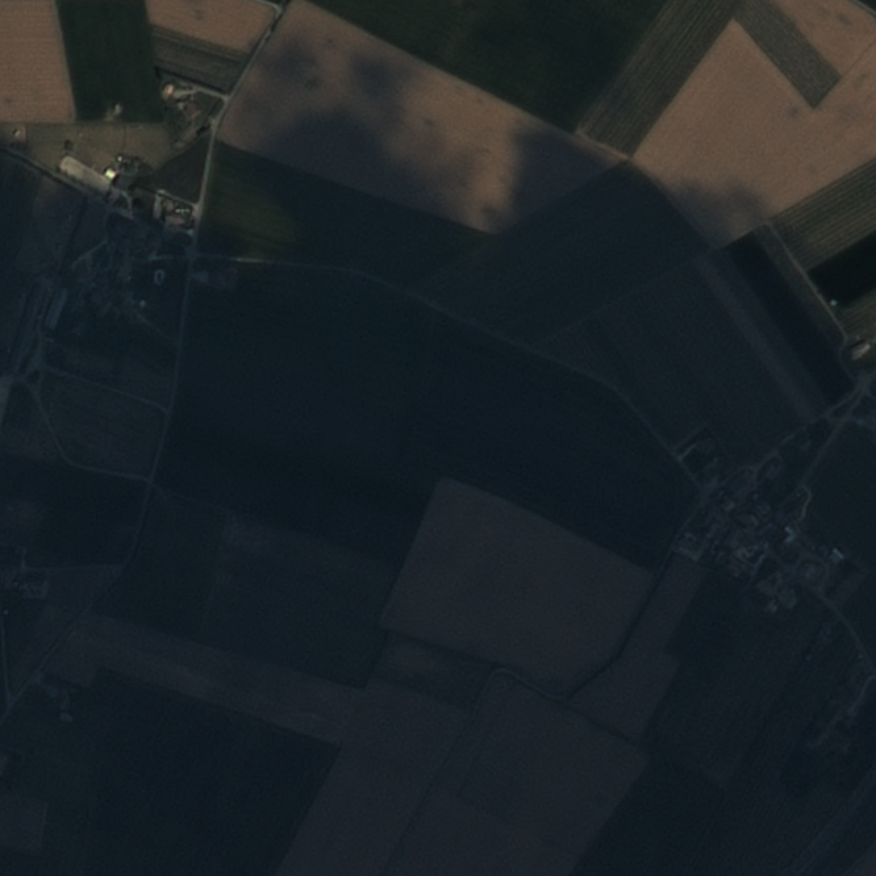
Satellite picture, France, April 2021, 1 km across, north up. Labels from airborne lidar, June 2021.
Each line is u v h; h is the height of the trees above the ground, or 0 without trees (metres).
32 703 0
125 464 0
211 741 0
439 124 0
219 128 0
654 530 0
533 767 0
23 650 0
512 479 0
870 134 0
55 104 0
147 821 0
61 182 7
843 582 0
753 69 0
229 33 0
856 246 0
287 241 0
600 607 0
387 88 0
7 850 0
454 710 0
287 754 0
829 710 12
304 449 0
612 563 0
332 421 0
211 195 0
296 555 0
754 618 0
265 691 0
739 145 0
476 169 0
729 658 0
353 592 0
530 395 0
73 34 0
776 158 0
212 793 0
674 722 0
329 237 0
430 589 0
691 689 0
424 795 0
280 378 0
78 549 0
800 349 0
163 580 0
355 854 0
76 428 0
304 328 0
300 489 0
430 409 0
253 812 0
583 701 0
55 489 0
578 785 0
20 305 0
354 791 0
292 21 0
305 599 0
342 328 0
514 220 0
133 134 0
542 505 0
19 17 0
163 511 0
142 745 0
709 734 0
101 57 0
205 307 0
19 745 0
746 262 0
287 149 0
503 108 0
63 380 0
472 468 0
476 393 0
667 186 0
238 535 0
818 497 0
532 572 0
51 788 0
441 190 0
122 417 0
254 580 0
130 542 0
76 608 0
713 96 0
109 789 0
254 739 0
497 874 0
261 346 0
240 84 0
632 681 0
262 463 0
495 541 0
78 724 0
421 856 0
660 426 0
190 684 0
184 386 0
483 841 0
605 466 0
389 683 0
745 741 0
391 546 0
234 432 0
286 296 0
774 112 0
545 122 0
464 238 0
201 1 0
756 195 0
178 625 0
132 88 0
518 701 0
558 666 0
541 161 0
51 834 0
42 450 0
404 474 0
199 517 0
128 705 0
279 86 0
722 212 0
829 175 0
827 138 0
